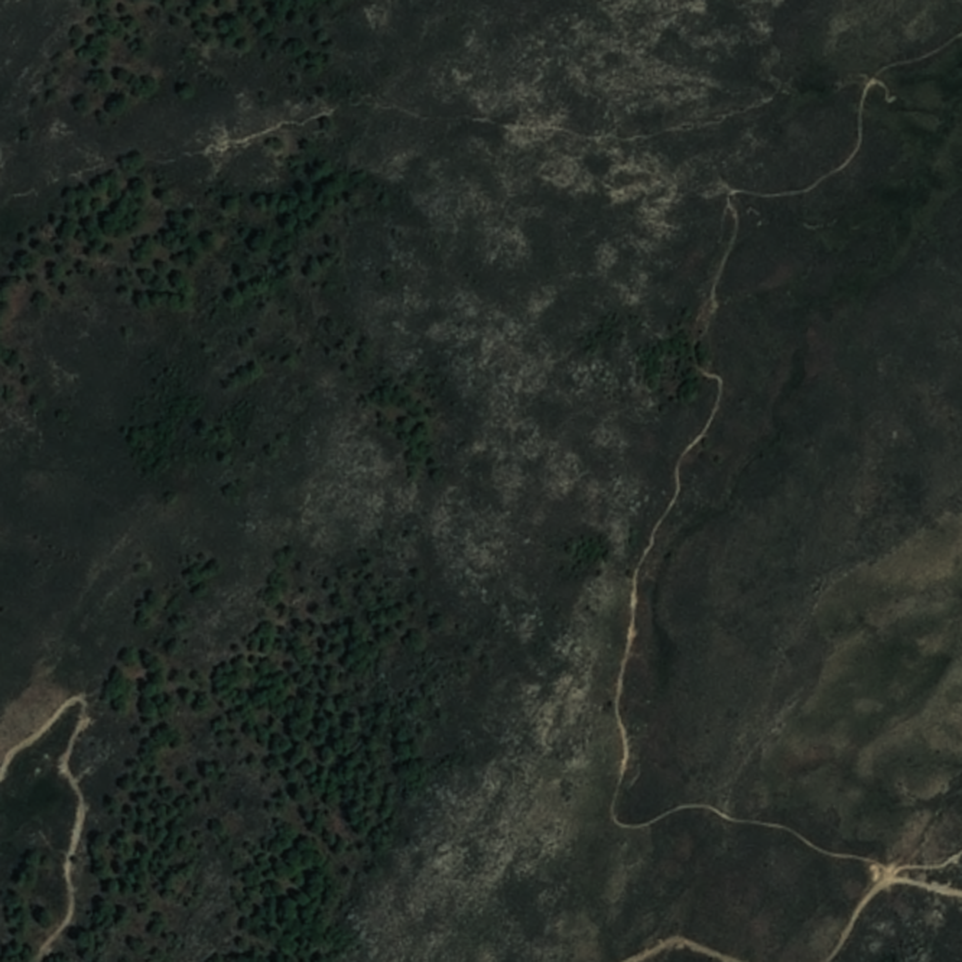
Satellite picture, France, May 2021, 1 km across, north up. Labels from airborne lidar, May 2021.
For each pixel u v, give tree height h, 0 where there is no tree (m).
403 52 0
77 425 0
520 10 0
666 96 0
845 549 0
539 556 0
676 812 0
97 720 0
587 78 0
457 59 0
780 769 0
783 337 0
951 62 0
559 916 0
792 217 0
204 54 0
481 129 0
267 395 0
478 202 0
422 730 10
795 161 0
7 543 0
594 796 0
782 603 0
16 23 0
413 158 0
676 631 0
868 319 0
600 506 0
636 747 0
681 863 0
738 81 0
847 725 0
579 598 0
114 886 24
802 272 0
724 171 0
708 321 0
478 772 0
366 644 19
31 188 0
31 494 0
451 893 0
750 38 0
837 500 0
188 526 0
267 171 0
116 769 0
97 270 10
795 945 0
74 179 0
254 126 0
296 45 19
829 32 0
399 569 0
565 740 0
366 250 0
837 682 0
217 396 0
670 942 0
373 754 14
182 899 11
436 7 0
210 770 21
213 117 0
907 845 0
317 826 20
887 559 0
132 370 0
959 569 0
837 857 0
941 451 0
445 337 0
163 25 0
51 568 0
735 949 0
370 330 0
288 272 16
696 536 0
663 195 0
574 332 0
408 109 0
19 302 0
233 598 0
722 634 0
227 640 0
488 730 0
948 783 0
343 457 0
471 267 0
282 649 18
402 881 0
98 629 0
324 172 21
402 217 0
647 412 0
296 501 0
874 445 0
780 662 0
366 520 0
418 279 0
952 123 0
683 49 0
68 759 0
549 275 0
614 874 0
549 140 0
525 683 0
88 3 11
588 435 0
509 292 0
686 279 0
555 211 0
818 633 0
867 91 0
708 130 0
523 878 0
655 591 0
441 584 0
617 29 0
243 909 14
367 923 0
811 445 0
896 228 0
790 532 0
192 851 10
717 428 0
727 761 0
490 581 0
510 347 0
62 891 0
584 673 0
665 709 0
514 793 0
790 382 0
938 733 0
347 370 14
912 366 0
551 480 0
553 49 0
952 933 0
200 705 16
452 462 0
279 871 27
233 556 0
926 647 0
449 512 0
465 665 8
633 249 0
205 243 21
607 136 0
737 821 0
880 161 0
